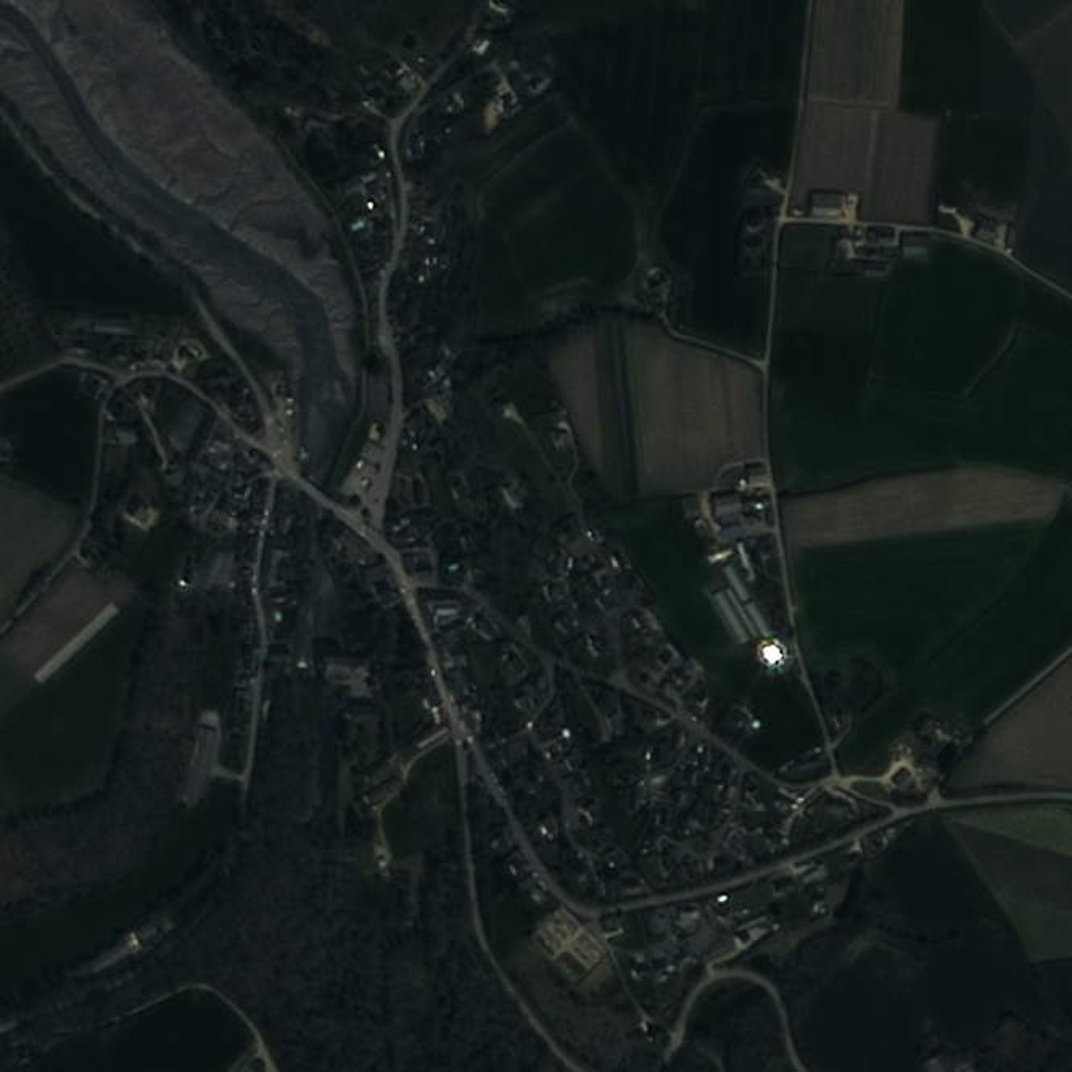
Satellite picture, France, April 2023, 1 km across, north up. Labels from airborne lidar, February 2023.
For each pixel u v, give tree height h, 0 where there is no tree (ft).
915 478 0
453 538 27
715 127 0
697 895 0
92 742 0
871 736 0
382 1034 79
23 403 0
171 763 71
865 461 0
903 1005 0
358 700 0
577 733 32
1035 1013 0
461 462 52
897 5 0
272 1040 49
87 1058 0
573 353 0
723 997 21
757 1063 54
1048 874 0
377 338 0
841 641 0
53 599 0
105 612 0
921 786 0
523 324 0
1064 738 0
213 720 0
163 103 0
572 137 0
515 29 56
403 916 50
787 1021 60
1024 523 0
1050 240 0
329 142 23
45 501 0
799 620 0
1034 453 0
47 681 0
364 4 54
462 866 34
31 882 31
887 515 0
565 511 0
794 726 0
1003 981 0
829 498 0
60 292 0
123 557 32
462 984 87
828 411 0
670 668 0
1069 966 0
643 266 0
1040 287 0
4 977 0
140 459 28
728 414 0
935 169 0
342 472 0
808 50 0
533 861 0
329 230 0
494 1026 69
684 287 19
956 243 0
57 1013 73
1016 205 0
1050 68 0
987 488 0
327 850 75
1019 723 0
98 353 24
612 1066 18
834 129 0
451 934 86
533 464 0
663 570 0
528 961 0
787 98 0
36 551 0
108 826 61
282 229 0
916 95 0
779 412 0
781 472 0
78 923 0
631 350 0
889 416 0
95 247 0
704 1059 0
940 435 0
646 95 0
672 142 0
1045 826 0
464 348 38
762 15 0
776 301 0
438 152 47
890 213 0
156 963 50
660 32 0
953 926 0
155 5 57
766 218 33
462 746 0
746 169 0
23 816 45
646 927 0
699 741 0
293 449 0
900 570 0
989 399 0
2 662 0
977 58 0
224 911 72
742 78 0
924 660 0
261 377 0
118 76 0
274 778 69
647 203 0
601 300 0
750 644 0
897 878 0
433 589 0
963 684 0
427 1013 0
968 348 0
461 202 45
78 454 0
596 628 0
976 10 0
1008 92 0
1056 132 0
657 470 0
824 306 0
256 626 0
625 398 0
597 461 0
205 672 0
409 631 55
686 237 0
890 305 0
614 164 0
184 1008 0
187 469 48
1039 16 0
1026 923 0
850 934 0
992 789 25
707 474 0
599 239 0
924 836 0
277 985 72
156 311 0
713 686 0
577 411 0
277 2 0
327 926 96
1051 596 0
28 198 0
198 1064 0
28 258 0
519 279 0
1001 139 0
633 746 33
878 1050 0
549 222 0
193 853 0
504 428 0
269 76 64
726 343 0
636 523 0
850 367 0
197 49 67
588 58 0
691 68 0
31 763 0
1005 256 0
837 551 0
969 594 0
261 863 66
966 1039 0
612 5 0
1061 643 0
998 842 0
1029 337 0
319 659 0
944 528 0
